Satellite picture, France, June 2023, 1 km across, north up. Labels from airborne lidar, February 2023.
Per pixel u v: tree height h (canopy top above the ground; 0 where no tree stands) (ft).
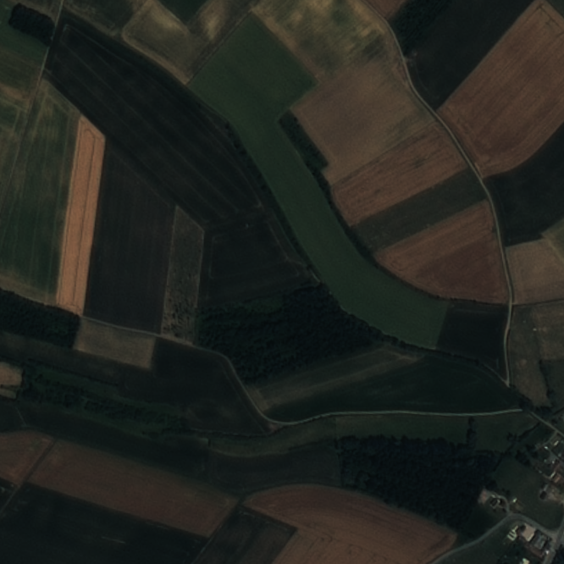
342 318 55
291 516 0
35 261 0
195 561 0
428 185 0
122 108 0
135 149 0
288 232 22
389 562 0
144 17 0
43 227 0
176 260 0
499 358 0
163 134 0
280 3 0
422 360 0
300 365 34
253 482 0
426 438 0
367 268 0
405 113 0
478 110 0
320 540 0
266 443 0
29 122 0
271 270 0
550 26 0
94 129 0
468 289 0
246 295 0
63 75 0
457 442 0
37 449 0
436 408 0
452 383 0
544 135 0
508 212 0
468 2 0
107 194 0
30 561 0
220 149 0
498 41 0
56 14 0
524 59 0
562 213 0
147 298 0
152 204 0
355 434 0
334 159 0
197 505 0
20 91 0
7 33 0
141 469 0
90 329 0
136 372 0
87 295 0
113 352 0
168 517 0
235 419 0
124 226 0
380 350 0
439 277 0
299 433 0
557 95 0
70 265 0
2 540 0
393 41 0
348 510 0
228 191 0
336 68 0
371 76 0
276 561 0
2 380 0
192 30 0
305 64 0
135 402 0
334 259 0
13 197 0
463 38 0
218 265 0
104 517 0
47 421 0
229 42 0
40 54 0
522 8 0
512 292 0
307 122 0
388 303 0
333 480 0
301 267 0
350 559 0
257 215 0
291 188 0
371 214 0
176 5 0
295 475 0
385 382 0
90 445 0
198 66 0
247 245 0
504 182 0
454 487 94
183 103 0
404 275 0
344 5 0
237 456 0
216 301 0
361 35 0
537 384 0
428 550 0
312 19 0
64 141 0
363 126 0
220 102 0
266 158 0
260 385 0
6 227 0
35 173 0
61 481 0
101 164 0
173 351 0
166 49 0
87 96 0
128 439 0
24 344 0
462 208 0
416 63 0
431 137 0
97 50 0
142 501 0
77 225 0
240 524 0
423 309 0
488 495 0
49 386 20
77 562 0
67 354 0
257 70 0
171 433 24
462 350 0
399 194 0
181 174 0
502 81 0
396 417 0
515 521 0
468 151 0
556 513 0
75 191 0
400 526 0
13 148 0
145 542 0
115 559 0
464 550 0
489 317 0
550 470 0
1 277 0
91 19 0
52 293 0
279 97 0
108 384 18
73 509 0
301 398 0
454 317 0
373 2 0
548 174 0
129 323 0
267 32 0
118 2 0
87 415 0
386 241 0
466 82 0
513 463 0
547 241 0
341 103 0
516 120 0
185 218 0
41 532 0
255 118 0
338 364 0
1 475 0
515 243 0
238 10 0
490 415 0
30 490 0
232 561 0
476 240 0
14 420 0
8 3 0
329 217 0
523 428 0
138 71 0
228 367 0
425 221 0
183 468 0
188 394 0
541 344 0
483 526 0
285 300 42
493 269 0
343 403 0
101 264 0
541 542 0
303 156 0
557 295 0
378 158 0
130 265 0
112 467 0
